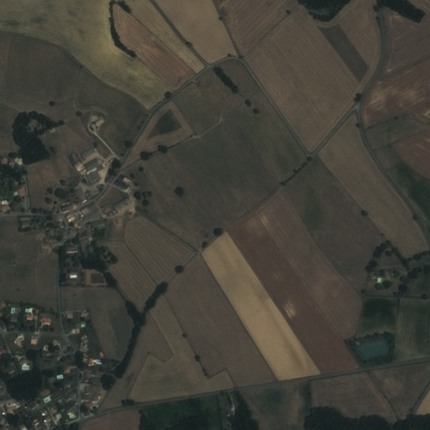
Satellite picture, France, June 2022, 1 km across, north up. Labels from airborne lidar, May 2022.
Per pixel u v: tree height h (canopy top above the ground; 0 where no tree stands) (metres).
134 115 0
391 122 0
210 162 0
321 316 0
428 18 0
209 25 0
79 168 0
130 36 0
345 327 0
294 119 0
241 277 0
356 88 0
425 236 0
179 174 0
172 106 0
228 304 0
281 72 0
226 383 0
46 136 0
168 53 0
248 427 18
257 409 0
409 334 0
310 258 0
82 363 14
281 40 0
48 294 0
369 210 0
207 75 0
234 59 0
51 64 0
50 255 0
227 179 0
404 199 0
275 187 0
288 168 0
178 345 0
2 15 0
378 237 0
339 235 0
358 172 0
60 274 5
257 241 0
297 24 0
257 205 0
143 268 0
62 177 0
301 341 0
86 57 0
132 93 0
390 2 12
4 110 0
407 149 0
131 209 0
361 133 0
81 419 0
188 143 0
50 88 0
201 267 0
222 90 0
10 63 0
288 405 0
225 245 0
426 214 0
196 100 0
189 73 0
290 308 0
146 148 0
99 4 0
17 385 19
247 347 0
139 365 0
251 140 0
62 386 7
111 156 0
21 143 13
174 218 0
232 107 0
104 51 0
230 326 0
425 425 15
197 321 0
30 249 0
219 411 6
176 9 0
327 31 0
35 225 0
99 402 0
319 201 0
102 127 0
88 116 0
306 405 0
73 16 0
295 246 0
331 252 0
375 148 0
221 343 0
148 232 0
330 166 0
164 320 0
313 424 22
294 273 0
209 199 0
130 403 11
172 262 0
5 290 0
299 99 0
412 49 0
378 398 0
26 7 0
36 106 0
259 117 0
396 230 0
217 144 0
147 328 0
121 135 0
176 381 0
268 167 0
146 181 0
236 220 0
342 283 0
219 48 0
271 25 0
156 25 0
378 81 0
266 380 0
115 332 0
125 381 0
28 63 0
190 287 0
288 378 0
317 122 0
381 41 0
